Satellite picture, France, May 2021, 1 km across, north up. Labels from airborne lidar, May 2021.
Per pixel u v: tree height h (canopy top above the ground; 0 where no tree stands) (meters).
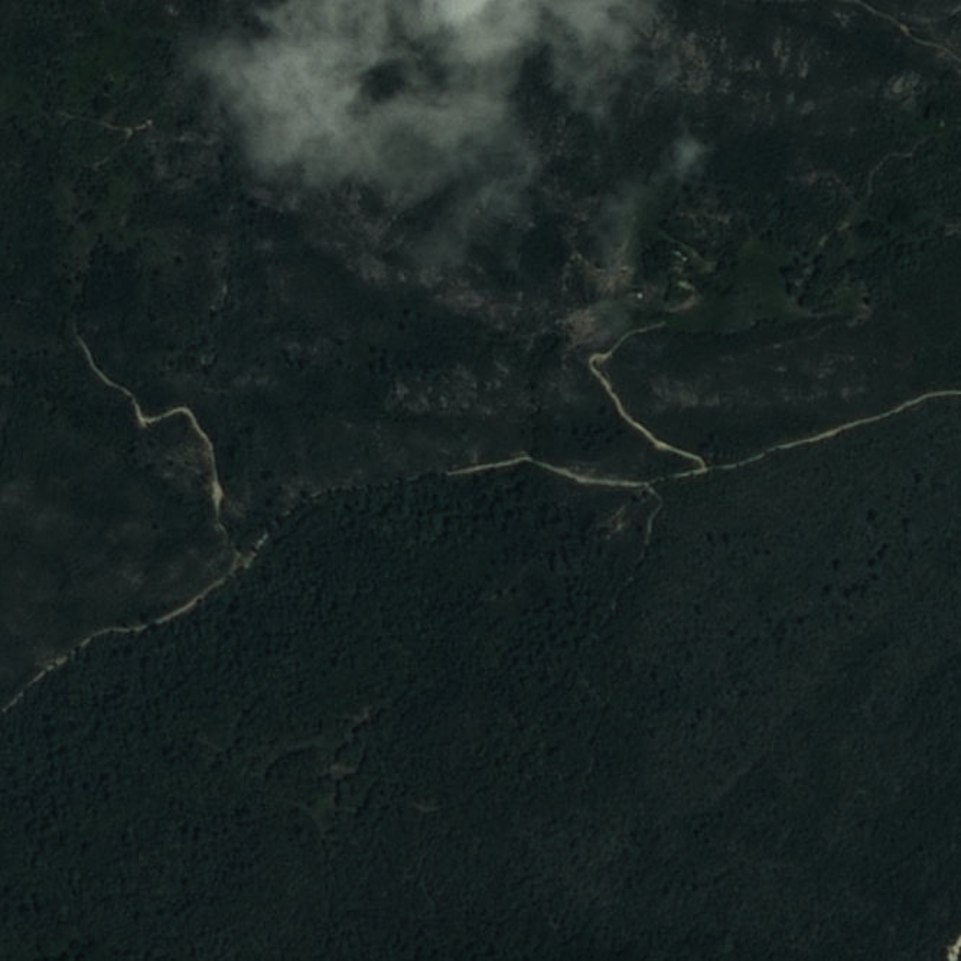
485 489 21
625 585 11
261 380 7
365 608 19
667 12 7
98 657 12
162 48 8
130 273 7
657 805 8
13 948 18
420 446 0
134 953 12
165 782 12
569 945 19
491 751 8
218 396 8
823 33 7
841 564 18
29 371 11
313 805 12
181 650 17
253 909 10
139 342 7
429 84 7
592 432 14
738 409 6
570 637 22
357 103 7
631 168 8
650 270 14
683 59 8
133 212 7
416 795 11
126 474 6
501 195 6
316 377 9
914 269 7
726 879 10
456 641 12
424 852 10
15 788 16
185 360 10
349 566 9
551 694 14
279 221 9
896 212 15
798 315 0
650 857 7
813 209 6
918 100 8
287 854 9
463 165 7
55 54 7
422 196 7
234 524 8
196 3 6
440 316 8
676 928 6
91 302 8
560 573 14
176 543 6
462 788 15
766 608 7
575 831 7
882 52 7
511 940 22
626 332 7
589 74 23
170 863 11
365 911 12
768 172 7
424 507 7
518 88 6
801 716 7
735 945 13
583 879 7
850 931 7
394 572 9
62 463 7
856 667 10
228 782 13
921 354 7
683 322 0
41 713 16
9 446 13
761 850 6
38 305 9
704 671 8
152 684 20
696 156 7
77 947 15
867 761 6
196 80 9
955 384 8
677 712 6
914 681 6
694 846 7
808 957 7
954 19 8
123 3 6
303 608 11
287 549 17
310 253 7
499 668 13
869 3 6
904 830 10
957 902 7
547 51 7
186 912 22
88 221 13
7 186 6
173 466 16
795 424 8
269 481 20
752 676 7
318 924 9
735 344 7
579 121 6
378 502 10
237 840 10
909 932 8
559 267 9
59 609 6
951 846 7
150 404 6
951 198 7
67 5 9
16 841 21
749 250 0
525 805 12
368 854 14
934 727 8
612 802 7
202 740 16
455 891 11
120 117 7
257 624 11
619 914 6
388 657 15
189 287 6
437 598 9
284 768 17
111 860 7
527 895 7
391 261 11
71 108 7
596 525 16
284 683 16
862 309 0
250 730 16
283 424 8
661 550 10
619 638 16
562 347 19
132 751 17
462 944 19
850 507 5
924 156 6
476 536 14
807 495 0
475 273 6
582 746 8
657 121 6
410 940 21
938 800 6
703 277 7
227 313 10
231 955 10
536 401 9
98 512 6
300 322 7
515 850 10
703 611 14
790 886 6
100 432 12
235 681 10
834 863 7
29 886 19
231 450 6
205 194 8
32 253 8
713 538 16
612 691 13
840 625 7
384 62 9
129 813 15
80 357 9
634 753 8
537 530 11
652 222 0
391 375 23
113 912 13
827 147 6
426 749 10
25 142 15
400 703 13
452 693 14
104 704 16
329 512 11
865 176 6
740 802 10
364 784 17
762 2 10
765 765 8
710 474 6
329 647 11
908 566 7
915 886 7
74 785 27
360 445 10
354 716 16
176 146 9
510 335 19
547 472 8
